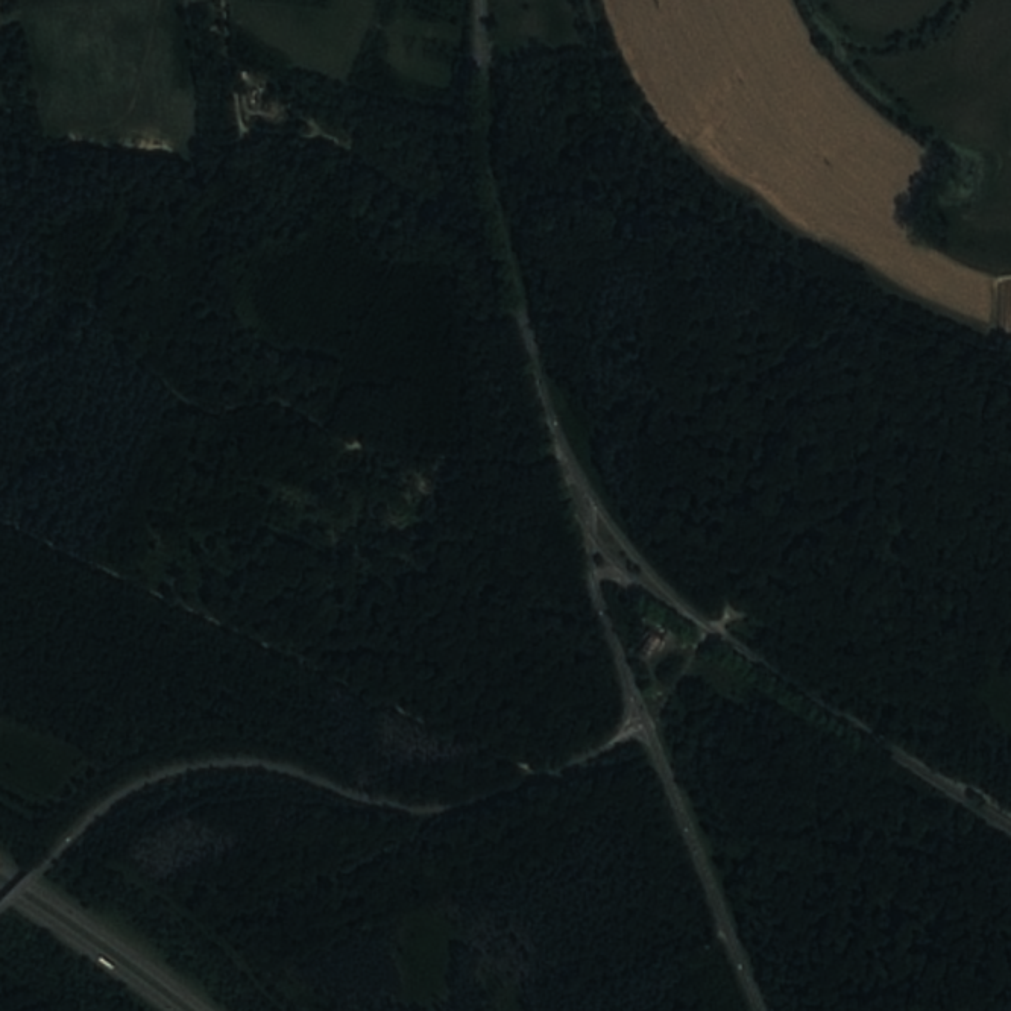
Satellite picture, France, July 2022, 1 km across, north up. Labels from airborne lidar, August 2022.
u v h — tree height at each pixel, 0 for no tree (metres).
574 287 24
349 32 0
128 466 36
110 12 0
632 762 19
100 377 34
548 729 23
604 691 15
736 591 24
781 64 0
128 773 14
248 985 12
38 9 0
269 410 10
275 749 13
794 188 0
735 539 29
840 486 27
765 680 21
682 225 29
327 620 22
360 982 20
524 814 25
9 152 21
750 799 30
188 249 28
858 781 29
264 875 21
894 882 29
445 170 19
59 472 32
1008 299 0
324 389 25
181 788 8
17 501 30
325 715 19
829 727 20
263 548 20
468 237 31
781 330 25
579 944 24
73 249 9
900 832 7
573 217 28
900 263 0
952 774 17
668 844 26
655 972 24
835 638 24
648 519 20
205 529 6
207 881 24
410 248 27
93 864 14
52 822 11
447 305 11
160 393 31
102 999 15
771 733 25
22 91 13
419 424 9
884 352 23
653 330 22
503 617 26
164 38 0
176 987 0
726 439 31
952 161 31
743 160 0
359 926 21
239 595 19
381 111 18
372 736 20
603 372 30
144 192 15
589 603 22
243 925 20
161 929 8
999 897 29
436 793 26
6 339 32
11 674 15
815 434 27
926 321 15
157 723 18
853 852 28
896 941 30
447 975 0
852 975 28
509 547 29
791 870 25
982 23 0
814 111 0
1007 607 25
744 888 13
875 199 0
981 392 22
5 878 0
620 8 0
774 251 17
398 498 20
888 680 24
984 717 18
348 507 9
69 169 30
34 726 20
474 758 21
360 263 6
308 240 6
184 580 25
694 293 25
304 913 22
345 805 14
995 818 0
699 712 12
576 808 27
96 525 29
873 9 0
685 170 16
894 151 0
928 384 23
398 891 23
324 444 14
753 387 27
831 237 0
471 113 31
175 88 0
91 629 15
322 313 6
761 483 25
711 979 6
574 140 27
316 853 23
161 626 17
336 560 21
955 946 31
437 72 0
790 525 28
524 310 0
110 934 0
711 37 0
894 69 0
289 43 0
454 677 22
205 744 14
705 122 0
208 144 19
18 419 26
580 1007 23
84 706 18
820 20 0
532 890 27
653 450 28
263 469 10
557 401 0
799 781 30
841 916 29
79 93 0
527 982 24
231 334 27
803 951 28
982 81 0
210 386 28
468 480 23
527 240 34
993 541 25
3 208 25
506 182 28
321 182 13
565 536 24
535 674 27
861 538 24
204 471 27
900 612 24
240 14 0
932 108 0
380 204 28
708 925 8
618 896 23
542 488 26
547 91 28
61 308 12
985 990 26
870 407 25
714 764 24
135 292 20
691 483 25
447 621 25
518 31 0
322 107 21
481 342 26
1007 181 0
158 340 24
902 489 25
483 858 29
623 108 21
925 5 0
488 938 21
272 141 14
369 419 19
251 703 18
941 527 27
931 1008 31
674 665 6
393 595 23
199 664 19
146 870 13
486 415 26
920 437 28
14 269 31
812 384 28
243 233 21
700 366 28
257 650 17
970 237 0
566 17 0
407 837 17
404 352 11
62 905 0
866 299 18
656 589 0
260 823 20
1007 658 15
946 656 23
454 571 25
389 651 25
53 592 19
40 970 12
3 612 17
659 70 0
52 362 28
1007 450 22
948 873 31
